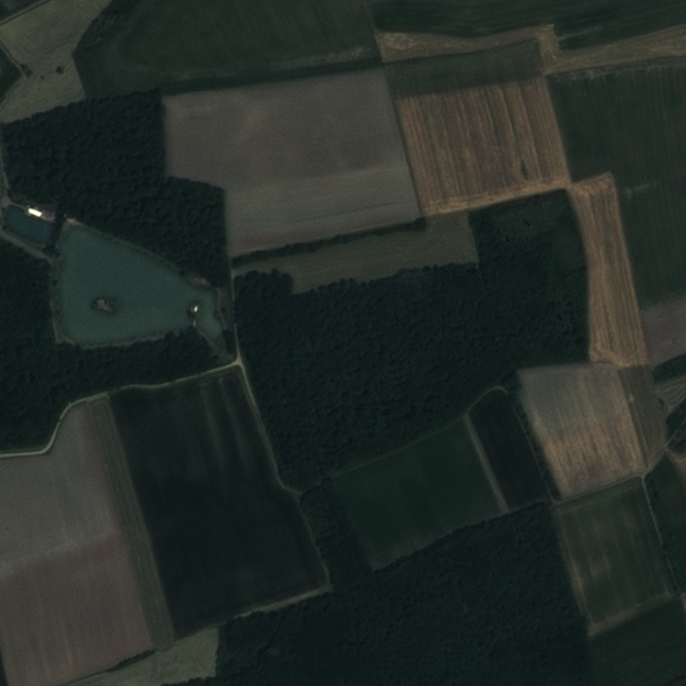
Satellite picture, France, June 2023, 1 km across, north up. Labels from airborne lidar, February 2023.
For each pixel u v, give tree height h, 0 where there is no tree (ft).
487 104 0
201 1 0
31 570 0
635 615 0
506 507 0
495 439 0
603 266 0
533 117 0
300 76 0
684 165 0
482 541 69
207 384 0
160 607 0
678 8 0
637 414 0
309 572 0
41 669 0
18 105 0
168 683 0
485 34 0
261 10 0
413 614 70
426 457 0
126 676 0
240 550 0
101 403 0
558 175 0
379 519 0
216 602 0
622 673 0
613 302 0
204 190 49
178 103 0
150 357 73
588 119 0
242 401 0
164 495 0
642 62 0
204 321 0
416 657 62
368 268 0
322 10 0
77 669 0
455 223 0
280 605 0
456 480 0
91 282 0
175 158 0
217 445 0
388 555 0
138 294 0
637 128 0
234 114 0
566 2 0
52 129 66
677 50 0
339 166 0
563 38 0
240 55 0
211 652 0
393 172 0
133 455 0
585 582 0
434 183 0
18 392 89
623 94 0
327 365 66
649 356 0
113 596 0
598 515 0
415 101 0
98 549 0
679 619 0
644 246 0
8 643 0
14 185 65
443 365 68
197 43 0
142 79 0
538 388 0
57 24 0
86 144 57
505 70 0
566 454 0
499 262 42
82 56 0
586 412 0
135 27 0
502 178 0
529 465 0
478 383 59
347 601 60
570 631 71
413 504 0
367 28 0
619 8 0
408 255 0
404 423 70
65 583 0
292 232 0
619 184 0
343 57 0
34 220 0
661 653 0
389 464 0
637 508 0
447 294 78
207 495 0
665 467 0
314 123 0
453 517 0
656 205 0
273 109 0
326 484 36
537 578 60
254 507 0
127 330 0
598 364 0
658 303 0
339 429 89
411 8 0
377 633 69
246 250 0
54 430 35
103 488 0
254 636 62
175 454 0
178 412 0
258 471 0
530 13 0
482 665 74
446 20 0
